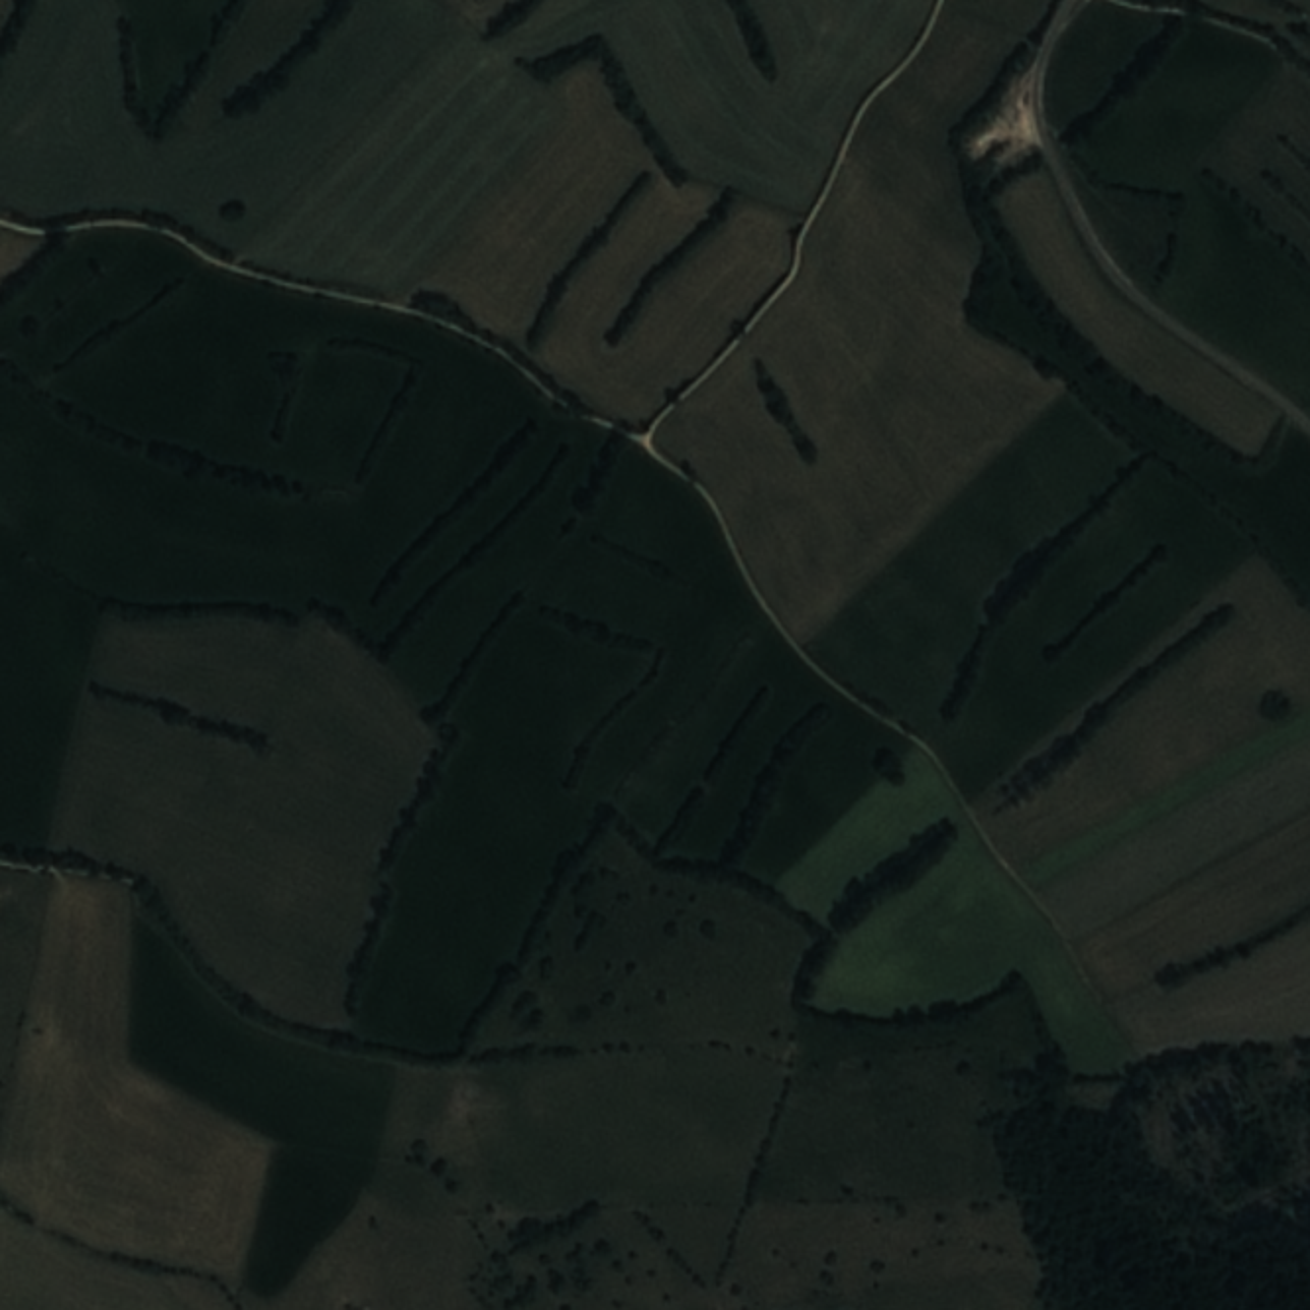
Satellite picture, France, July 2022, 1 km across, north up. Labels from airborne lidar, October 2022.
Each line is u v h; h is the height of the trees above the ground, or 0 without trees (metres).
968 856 0
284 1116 0
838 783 0
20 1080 0
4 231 0
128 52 7
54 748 0
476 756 0
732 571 0
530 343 5
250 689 0
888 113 0
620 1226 0
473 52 0
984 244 6
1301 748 0
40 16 0
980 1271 0
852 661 0
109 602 8
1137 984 0
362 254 0
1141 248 0
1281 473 0
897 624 0
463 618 0
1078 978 0
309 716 0
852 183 0
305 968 0
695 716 0
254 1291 0
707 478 0
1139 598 0
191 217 0
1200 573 0
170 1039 0
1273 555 7
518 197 0
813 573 0
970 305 14
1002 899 0
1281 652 0
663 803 0
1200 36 0
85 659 0
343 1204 0
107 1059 0
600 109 0
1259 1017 0
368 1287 0
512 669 0
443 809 0
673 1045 0
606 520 0
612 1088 0
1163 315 0
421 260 0
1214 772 0
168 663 0
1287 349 0
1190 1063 21
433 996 0
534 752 0
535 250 0
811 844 0
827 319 0
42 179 0
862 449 0
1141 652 0
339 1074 0
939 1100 0
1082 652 0
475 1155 0
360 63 0
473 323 16
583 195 0
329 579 0
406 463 0
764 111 0
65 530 0
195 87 11
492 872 0
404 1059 7
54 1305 0
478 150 0
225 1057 0
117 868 12
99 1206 0
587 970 0
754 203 0
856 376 0
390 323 0
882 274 0
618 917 0
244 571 0
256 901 0
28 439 0
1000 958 0
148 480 0
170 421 0
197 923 0
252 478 18
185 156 0
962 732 0
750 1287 0
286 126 0
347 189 0
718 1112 0
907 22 0
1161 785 0
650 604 0
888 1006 0
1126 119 0
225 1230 0
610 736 0
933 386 0
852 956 0
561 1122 0
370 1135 0
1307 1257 22
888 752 8
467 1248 0
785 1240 0
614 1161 0
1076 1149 9
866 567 0
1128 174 0
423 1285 0
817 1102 0
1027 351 6
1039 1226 9
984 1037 0
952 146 5
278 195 0
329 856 0
